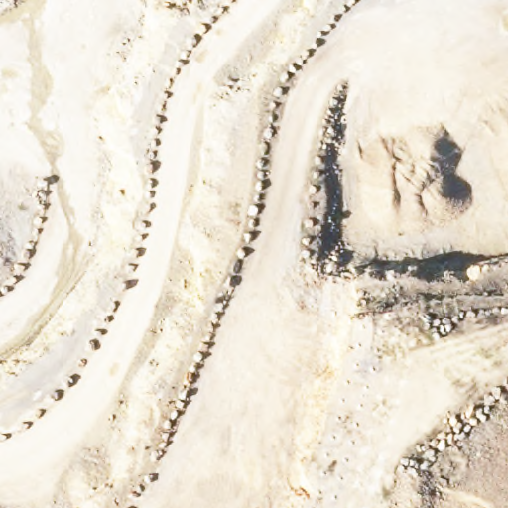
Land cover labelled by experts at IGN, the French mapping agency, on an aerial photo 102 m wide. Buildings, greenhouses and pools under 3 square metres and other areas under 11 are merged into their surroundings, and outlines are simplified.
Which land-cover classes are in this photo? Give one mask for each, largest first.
<instances>
[{"label":"pervious surface","instance_id":"1","mask_svg":"<svg viewBox=\"0 0 508 508\"><path fill-rule=\"evenodd\" d=\"M0 508H508V0H0Z\"/></svg>","mask_w":508,"mask_h":508}]
</instances>
